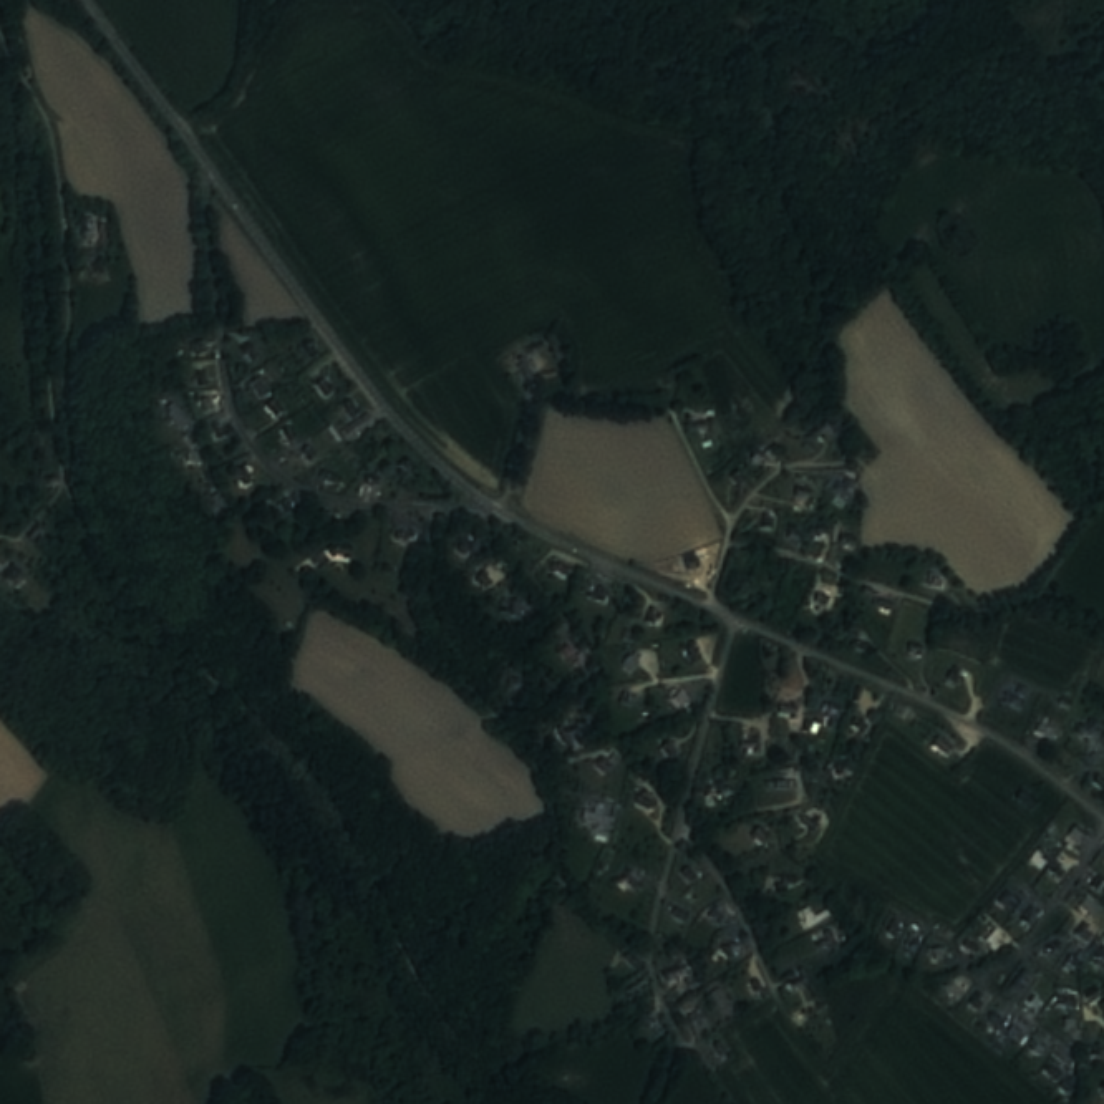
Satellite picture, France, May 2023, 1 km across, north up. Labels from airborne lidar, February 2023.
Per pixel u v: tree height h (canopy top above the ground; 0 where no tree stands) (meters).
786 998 5
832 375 22
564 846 8
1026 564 0
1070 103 20
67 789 0
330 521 9
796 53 17
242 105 0
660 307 0
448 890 20
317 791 23
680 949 19
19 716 18
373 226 0
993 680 0
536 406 12
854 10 16
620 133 0
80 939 0
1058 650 0
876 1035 0
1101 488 20
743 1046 0
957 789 0
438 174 0
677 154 0
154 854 0
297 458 0
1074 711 0
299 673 0
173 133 11
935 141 16
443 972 17
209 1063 0
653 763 6
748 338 0
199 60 0
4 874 21
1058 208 0
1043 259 0
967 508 0
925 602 0
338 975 8
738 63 25
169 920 0
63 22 12
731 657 0
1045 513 0
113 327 17
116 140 0
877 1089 0
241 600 19
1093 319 0
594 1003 0
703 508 0
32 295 18
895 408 0
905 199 0
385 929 20
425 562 14
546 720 16
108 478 23
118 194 0
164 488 19
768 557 12
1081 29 6
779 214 9
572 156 0
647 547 0
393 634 15
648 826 0
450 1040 18
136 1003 0
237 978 0
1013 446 15
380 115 0
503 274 0
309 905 23
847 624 12
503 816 0
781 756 18
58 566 6
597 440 0
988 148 14
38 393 15
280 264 0
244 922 0
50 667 18
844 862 0
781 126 18
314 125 0
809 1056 0
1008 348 11
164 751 19
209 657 20
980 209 0
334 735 20
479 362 0
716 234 20
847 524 0
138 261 0
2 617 20
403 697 0
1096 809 0
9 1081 0
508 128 0
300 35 0
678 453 0
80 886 18
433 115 0
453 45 18
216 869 0
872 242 15
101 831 0
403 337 0
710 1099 0
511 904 20
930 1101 0
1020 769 0
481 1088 20
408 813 20
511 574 8
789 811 7
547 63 21
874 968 18
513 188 0
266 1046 0
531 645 16
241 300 11
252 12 17
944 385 0
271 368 0
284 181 0
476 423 0
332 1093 0
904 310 12
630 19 20
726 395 0
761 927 13
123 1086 0
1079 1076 13
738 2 8
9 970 10
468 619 14
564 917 0
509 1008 14
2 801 0
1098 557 0
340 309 0
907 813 0
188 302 0
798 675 0
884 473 0
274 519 11
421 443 0
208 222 10
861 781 0
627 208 0
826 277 18
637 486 0
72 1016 0
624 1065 0
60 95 0
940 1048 0
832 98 11
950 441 0
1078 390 17
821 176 14
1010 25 15
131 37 0
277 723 18
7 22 12
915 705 0
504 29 25
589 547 0
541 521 0
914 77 14
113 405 23
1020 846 0
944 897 0
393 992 12
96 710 18
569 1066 0
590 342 0
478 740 0
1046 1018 0
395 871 21
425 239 0
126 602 21
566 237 0
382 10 0
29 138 19
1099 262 0
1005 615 15
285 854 38
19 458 11
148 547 22
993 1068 0
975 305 0
